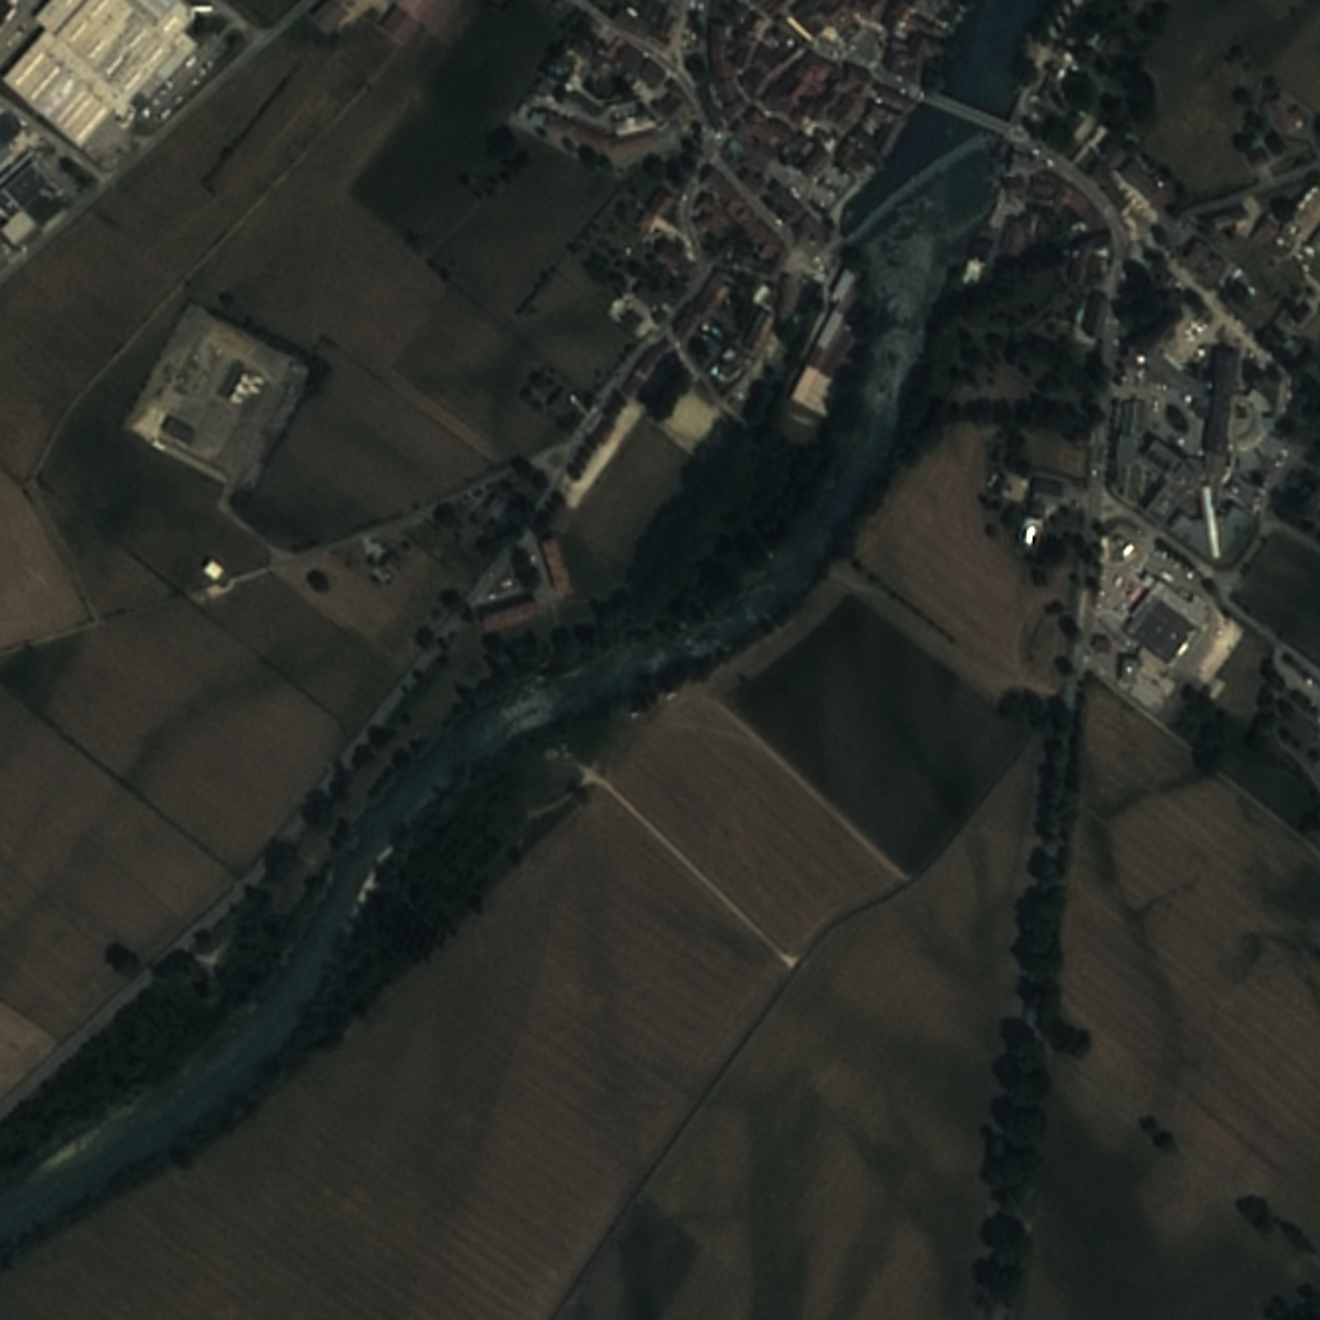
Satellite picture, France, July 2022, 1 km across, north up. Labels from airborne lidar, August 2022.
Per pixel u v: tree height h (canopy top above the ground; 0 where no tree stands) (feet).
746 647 25
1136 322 54
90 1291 0
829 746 0
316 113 0
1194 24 0
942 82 30
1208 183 0
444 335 0
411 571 0
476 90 0
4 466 0
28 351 0
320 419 0
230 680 0
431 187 0
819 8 0
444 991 0
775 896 0
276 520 0
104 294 0
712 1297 0
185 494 0
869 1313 0
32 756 0
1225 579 0
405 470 0
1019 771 0
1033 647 0
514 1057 0
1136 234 0
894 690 0
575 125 0
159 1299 0
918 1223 0
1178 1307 0
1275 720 37
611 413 29
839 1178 0
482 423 0
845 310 0
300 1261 0
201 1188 0
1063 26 41
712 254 35
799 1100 0
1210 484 0
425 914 47
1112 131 47
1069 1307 0
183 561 0
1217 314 0
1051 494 0
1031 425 45
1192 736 23
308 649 0
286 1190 0
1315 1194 0
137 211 0
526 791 0
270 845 0
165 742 0
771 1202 0
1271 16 0
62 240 0
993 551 0
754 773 0
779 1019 0
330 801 66
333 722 0
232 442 0
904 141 0
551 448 0
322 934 0
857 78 0
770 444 74
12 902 0
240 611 0
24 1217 0
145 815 0
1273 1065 0
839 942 0
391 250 0
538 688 0
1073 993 0
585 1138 0
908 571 0
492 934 0
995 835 0
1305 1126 0
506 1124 0
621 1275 0
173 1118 0
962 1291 0
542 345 0
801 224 23
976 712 0
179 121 0
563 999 0
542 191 0
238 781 0
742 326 25
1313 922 0
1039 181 0
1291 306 20
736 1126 0
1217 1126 0
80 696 0
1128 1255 0
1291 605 0
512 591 0
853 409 107
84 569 0
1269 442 0
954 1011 0
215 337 0
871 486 40
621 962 0
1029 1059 67
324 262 0
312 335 0
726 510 66
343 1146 0
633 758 0
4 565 0
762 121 0
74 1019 0
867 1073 0
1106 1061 0
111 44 0
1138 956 0
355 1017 38
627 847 0
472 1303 0
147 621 0
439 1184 0
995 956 0
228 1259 0
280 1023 0
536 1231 0
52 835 0
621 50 0
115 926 0
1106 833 0
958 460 0
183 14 0
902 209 0
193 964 20
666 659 0
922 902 0
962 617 0
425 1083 0
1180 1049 0
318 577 38
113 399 0
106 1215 0
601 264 29
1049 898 62
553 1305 0
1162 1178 0
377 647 0
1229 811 0
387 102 0
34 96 0
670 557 132
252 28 0
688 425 0
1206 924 0
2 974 0
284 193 0
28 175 0
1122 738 0
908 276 0
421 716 0
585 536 0
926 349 25
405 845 46
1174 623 0
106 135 0
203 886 0
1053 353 39
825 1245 0
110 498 0
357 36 0
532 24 0
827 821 0
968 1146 0
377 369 0
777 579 0
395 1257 0
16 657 0
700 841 0
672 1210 0
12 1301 0
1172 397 0
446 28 0
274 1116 0
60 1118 40
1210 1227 0
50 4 0
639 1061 0
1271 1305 0
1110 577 0
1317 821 35
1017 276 59
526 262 0
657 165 41
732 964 0
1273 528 0
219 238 0
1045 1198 0
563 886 0
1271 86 29
